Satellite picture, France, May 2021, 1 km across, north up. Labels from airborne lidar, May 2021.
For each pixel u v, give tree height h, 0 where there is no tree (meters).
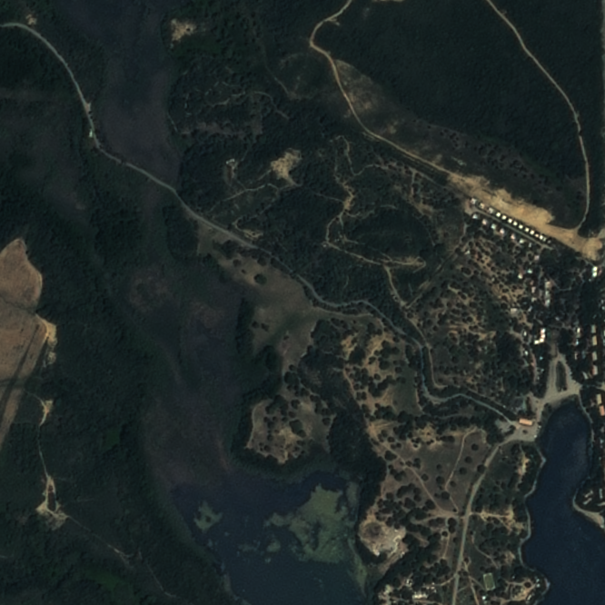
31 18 0
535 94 6
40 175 0
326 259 10
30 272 0
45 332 0
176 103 10
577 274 8
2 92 0
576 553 0
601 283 11
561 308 11
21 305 0
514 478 7
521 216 0
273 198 9
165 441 0
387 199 6
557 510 0
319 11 6
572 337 10
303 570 0
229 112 13
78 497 6
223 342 0
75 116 7
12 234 10
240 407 7
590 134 8
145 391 10
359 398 6
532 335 9
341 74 0
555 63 8
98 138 7
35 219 11
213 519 0
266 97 9
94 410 11
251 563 0
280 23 8
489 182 0
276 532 0
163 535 10
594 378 7
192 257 10
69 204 0
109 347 6
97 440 12
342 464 11
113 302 10
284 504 0
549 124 7
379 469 10
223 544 0
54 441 7
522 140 8
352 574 0
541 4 6
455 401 9
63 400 8
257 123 0
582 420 0
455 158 0
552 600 0
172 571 8
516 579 8
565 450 0
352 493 0
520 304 7
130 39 0
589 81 6
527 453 6
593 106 6
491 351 6
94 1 0
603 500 8
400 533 0
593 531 0
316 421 0
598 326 7
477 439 0
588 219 8
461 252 6
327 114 8
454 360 8
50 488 0
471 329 7
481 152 11
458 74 7
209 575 6
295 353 0
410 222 8
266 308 0
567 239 0
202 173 13
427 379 8
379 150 7
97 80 7
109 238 12
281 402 14
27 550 10
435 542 9
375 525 0
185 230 5
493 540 7
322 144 7
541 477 0
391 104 0
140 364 8
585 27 7
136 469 14
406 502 6
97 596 7
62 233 18
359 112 0
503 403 6
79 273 16
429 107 6
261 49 9
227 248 8
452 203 8
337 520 0
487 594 7
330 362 7
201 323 0
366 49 12
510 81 6
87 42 7
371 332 9
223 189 8
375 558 10
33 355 0
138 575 6
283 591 0
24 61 14
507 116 6
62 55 7
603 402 6
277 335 0
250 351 19
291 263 8
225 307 0
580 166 8
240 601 0
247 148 17
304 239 13
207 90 7
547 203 0
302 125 14
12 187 15
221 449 0
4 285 0
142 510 7
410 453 0
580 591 0
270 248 12
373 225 7
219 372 0
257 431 0
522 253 8
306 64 0
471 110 7
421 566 9
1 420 0
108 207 20
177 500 0
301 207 6
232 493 0
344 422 10
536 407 0
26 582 8
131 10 0
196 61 11
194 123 11
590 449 7
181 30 0
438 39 8
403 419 11
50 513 0
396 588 7
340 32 6
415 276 8
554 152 8
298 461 8
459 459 0
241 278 0
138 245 10
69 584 11
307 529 0
